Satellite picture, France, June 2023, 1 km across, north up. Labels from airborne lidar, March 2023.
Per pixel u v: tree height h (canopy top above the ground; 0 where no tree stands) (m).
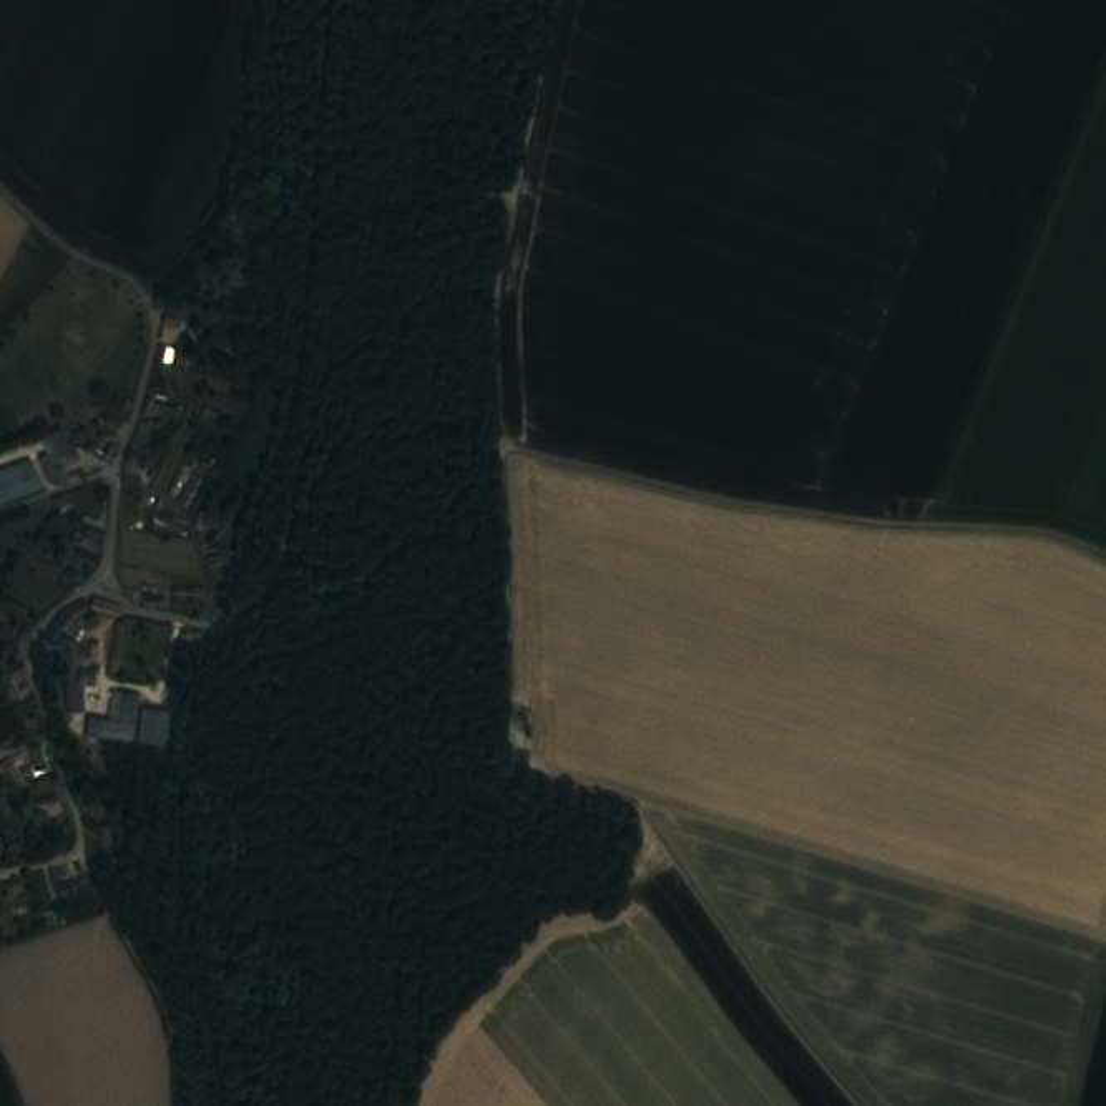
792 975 0
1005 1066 0
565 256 0
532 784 17
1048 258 0
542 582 0
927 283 0
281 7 26
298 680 28
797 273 0
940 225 0
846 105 0
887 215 0
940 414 0
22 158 0
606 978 0
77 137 0
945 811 0
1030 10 0
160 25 0
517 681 0
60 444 0
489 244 23
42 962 0
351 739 23
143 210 0
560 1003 0
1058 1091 0
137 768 14
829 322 0
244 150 19
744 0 0
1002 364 0
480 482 25
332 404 23
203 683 27
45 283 0
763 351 0
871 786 0
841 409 0
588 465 0
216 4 0
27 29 0
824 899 0
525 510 0
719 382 0
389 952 23
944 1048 0
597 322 0
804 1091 0
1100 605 0
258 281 25
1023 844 0
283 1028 21
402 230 14
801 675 0
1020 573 0
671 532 0
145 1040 0
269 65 17
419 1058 22
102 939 0
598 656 0
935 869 0
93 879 14
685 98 0
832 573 0
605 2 0
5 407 0
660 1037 0
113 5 0
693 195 0
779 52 0
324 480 22
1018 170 0
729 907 0
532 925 19
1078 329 0
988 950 0
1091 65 0
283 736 25
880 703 0
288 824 23
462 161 24
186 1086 20
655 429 0
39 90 0
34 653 15
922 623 0
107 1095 0
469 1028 0
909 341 0
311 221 10
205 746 23
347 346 23
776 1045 0
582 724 0
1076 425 0
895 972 0
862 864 0
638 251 0
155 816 22
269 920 21
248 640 18
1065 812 0
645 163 0
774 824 0
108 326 0
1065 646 0
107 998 0
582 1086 0
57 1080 0
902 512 0
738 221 0
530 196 0
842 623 0
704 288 0
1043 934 0
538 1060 0
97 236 0
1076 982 0
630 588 0
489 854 19
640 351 0
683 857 0
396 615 20
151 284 0
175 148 0
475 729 25
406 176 26
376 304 25
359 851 23
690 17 0
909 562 0
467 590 22
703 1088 0
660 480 0
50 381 0
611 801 17
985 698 0
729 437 0
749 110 0
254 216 24
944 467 0
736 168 0
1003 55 0
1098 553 0
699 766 0
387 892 12
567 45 0
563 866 24
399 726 25
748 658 0
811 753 0
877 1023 0
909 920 0
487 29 22
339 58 16
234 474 0
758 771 0
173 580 0
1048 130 0
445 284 28
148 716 0
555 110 0
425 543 23
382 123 26
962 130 0
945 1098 0
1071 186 0
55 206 0
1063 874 0
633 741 0
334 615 22
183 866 12
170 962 12
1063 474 0
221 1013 20
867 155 0
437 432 27
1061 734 0
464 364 27
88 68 0
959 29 0
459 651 25
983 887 0
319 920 23
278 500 28
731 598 0
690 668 0
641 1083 0
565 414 0
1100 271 0
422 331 27
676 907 0
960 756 0
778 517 0
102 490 10
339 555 23
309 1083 22
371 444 18
